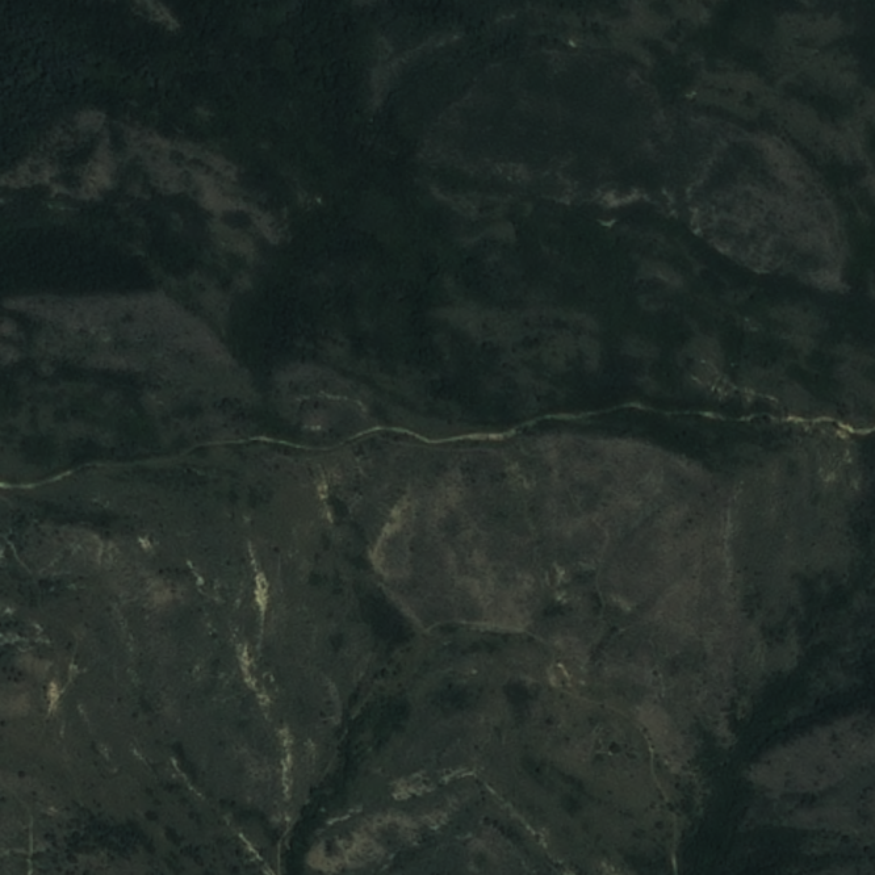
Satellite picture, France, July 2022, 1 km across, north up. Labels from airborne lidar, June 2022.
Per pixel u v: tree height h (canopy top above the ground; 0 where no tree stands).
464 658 0
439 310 0
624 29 0
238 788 0
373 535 0
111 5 7
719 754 9
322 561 0
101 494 0
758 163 0
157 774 0
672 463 0
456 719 0
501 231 0
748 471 0
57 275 6
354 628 0
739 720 7
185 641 0
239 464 0
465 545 0
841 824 0
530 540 0
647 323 0
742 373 0
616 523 0
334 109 10
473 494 0
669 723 0
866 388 0
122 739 0
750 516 0
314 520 0
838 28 0
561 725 0
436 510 0
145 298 0
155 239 5
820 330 0
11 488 0
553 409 0
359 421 0
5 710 0
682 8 0
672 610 0
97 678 0
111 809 0
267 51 11
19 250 7
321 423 0
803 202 0
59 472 0
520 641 0
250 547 0
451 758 0
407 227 6
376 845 0
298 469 0
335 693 0
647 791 0
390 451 0
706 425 0
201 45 5
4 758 0
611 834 0
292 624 0
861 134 0
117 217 7
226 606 0
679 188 0
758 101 0
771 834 9
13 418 0
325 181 8
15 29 14
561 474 0
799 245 0
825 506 0
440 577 0
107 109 7
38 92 9
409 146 6
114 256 7
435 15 9
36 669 0
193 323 0
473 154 0
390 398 0
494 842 0
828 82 0
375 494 0
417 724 0
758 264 0
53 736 0
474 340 0
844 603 6
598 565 0
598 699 0
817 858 6
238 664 0
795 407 0
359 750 6
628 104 0
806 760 0
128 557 0
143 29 6
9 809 0
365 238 7
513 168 0
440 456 0
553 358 0
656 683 0
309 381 0
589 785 0
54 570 0
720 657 0
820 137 0
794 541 0
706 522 0
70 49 8
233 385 0
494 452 0
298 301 7
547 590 0
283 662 0
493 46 6
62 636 0
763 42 0
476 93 0
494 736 0
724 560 0
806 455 0
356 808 0
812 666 7
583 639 0
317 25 9
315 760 0
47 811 0
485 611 0
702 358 0
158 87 9
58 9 9
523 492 0
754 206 0
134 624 0
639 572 0
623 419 0
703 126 0
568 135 0
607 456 0
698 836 8
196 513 0
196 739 0
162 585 0
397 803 0
